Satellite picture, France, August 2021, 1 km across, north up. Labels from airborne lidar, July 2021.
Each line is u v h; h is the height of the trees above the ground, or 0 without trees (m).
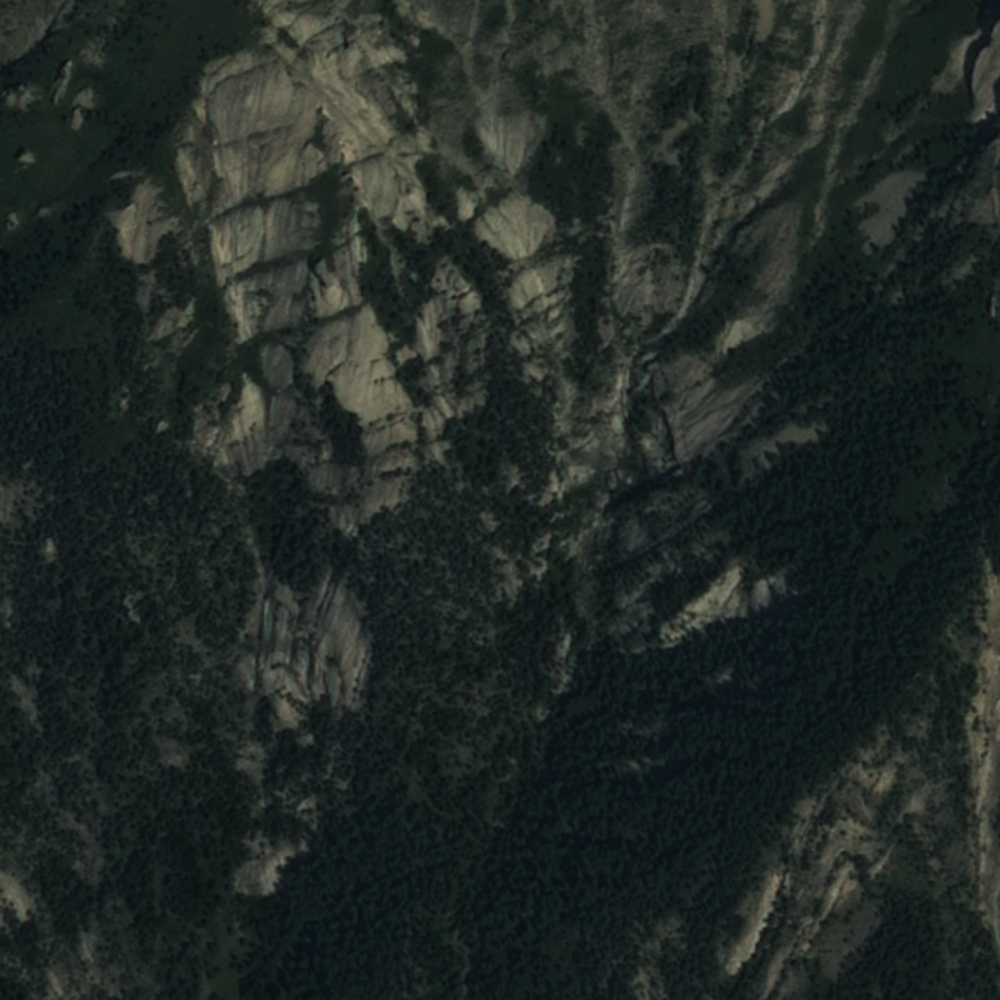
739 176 0
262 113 0
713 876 12
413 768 20
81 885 20
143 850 7
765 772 28
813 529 10
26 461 11
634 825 20
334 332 0
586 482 0
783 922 7
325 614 0
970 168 7
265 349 0
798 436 0
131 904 22
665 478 11
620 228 0
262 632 0
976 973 13
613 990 16
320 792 14
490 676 8
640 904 10
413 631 9
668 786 26
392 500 0
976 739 0
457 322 7
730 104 11
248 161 0
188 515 14
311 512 5
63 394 10
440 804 26
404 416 0
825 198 0
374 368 0
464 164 0
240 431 0
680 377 0
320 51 0
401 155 0
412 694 7
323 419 16
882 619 19
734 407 0
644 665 11
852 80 0
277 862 0
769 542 21
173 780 12
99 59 0
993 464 13
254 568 17
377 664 12
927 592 13
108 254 12
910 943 11
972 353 0
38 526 9
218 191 0
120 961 6
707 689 16
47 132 0
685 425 0
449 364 0
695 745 27
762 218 0
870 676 19
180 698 13
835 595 19
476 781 6
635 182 0
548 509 9
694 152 13
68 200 0
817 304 10
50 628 6
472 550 10
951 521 11
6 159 0
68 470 16
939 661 12
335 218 0
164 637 10
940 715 12
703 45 0
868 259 0
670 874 20
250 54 0
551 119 0
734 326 0
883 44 0
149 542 9
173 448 7
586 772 30
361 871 27
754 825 22
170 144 0
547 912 19
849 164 0
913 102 11
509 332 8
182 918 11
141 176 0
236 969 12
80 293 7
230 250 0
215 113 0
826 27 0
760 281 0
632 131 0
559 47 0
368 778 17
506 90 0
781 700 26
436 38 0
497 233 0
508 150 0
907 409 15
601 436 0
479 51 0
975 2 0
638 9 0
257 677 0
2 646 13
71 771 11
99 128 0
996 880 0
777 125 0
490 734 24
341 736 11
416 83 0
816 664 26
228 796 13
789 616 12
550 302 0
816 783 8
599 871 21
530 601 18
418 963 20
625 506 7
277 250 0
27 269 6
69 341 0
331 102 0
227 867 15
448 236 8
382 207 0
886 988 16
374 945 29
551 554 12
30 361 15
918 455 15
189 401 10
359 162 0
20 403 9
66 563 14
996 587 0
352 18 0
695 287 0
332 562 7
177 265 6
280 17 0
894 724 9
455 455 8
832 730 25
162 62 0
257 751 0
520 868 20
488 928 23
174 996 14
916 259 11
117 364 11
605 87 0
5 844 7
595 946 8
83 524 17
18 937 10
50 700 23
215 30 0
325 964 34
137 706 16
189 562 6
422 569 15
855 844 0
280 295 0
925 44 0
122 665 25
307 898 29
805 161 0
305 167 0
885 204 0
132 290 8
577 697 13
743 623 15
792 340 6
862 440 12
